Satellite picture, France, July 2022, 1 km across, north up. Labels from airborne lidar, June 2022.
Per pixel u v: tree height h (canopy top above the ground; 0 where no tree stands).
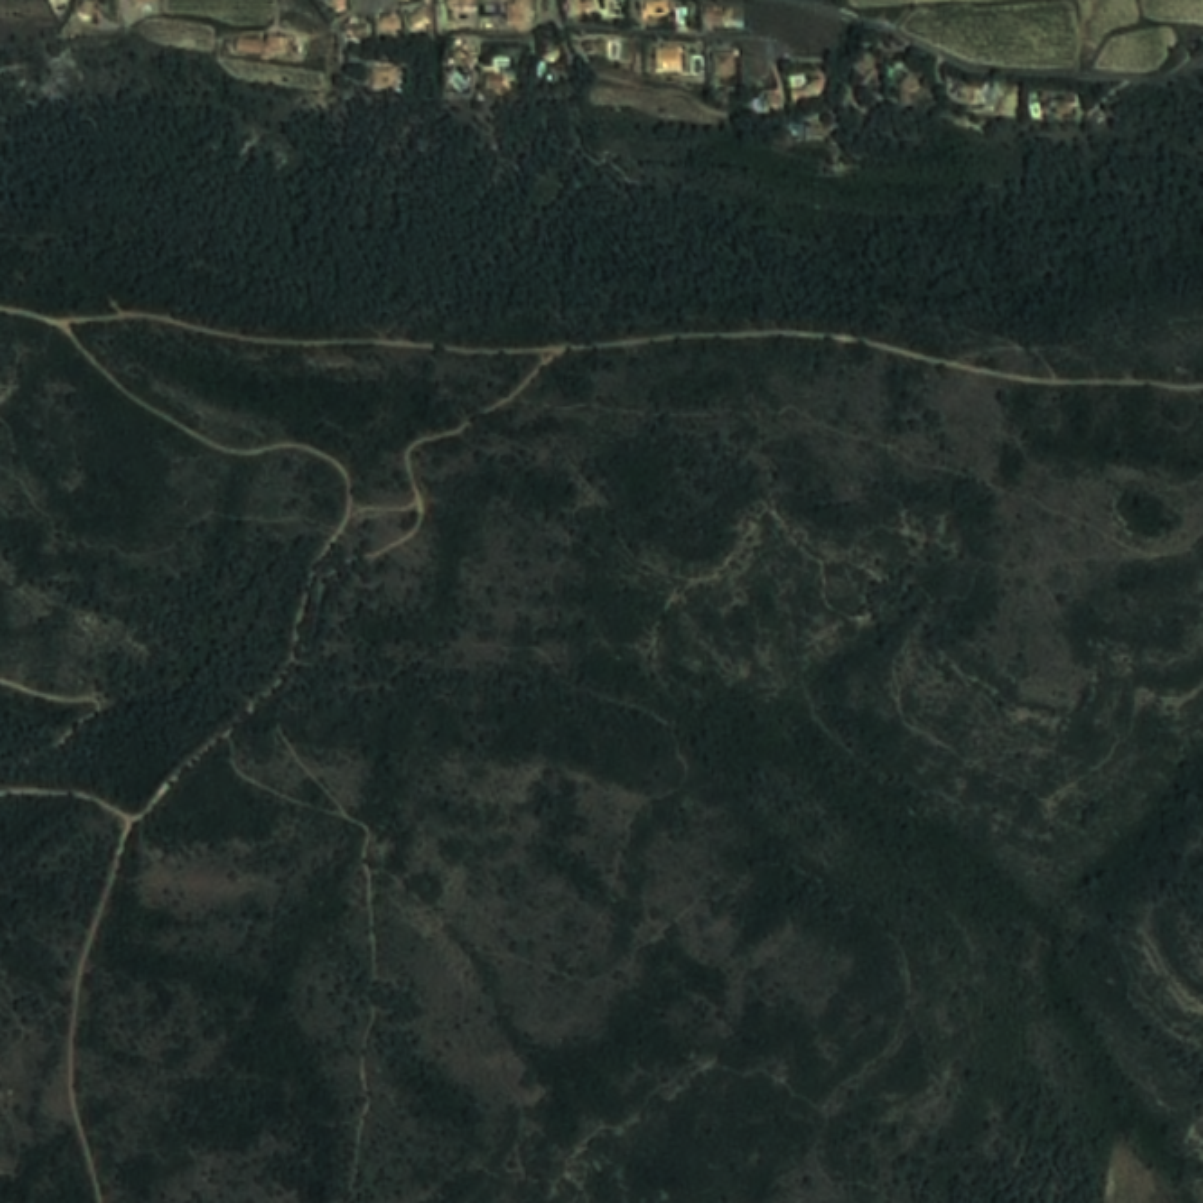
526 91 12
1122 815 0
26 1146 7
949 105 14
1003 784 0
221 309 12
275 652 9
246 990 5
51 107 9
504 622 0
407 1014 10
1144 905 0
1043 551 0
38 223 6
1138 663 0
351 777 0
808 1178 7
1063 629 0
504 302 10
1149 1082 0
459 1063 0
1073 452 0
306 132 9
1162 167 16
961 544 0
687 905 0
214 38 0
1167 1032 0
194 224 13
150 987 6
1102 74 0
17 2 0
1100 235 14
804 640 0
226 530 5
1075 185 10
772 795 10
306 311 9
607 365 11
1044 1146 14
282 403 5
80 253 10
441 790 9
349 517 0
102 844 7
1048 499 0
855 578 0
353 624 11
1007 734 0
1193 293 10
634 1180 0
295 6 0
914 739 0
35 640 0
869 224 6
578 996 0
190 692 9
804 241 6
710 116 0
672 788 0
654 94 0
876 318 9
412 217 12
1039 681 0
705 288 15
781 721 8
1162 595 0
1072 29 0
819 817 8
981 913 6
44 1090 0
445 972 0
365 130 9
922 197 7
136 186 14
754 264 14
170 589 9
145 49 0
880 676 0
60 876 9
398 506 0
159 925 7
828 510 9
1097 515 0
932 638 8
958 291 7
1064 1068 8
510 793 0
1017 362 0
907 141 13
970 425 0
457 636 9
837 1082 0
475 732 9
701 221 7
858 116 12
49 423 0
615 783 0
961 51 0
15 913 10
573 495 12
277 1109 7
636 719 10
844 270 13
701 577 0
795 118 14
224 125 12
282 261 10
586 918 0
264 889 0
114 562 8
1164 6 0
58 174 10
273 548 13
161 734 7
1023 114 9
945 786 0
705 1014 7
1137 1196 0
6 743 12
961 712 0
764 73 0
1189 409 0
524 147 7
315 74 0
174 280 10
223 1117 6
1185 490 0
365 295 12
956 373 0
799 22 0
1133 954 0
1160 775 0
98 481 10
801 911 7
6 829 10
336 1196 7
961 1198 14
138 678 6
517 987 0
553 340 8
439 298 10
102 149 12
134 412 0
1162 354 0
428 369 9
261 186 14
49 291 7
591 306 10
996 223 8
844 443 0
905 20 0
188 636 9
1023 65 0
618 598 7
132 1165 6
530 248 11
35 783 9
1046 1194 15
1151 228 15
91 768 10
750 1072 0
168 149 13
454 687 9
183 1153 0
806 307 11
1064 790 0
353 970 8
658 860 0
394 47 14
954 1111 0
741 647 0
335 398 6
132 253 11
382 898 8
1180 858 10
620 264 10
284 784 0
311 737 0
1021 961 11
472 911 0
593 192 12
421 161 12
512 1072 0
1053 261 14
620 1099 0
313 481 9
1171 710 0
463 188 12
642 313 9
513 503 6
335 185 8
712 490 8
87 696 0
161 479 0
